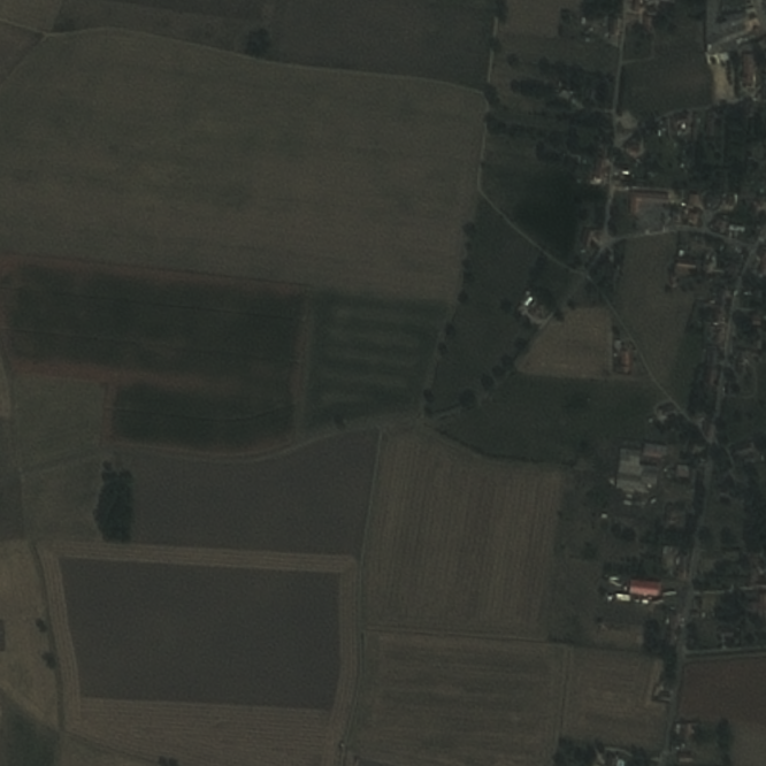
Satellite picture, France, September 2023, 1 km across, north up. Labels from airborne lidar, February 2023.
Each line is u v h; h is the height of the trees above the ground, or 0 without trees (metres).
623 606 0
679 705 0
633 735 0
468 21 0
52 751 0
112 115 0
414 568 0
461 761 0
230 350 0
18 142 0
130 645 0
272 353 0
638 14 0
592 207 0
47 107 0
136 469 0
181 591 0
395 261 0
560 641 0
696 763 0
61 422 0
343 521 0
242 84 0
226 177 0
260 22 0
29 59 0
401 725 0
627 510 0
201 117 0
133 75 0
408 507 0
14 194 0
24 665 0
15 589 0
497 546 0
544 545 0
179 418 0
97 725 0
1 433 0
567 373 0
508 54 0
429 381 0
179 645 0
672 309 0
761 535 17
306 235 0
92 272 0
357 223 0
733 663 0
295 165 0
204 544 0
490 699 0
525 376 0
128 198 0
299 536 0
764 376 0
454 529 0
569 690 0
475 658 0
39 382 0
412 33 0
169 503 0
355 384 0
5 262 0
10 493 0
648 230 0
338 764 0
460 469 0
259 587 0
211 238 0
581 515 0
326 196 0
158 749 0
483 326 0
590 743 0
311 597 0
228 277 0
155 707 0
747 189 0
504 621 0
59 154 0
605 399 0
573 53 0
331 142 0
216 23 0
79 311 0
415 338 0
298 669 0
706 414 9
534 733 0
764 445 16
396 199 0
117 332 0
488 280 0
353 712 0
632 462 0
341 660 0
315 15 0
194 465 0
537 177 0
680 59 0
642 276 0
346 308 0
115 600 0
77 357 0
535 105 0
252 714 0
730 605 13
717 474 6
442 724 0
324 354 0
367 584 0
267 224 0
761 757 0
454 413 0
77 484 0
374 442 0
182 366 0
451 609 0
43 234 0
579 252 0
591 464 0
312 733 0
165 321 0
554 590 0
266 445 0
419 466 0
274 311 0
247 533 0
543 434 0
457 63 0
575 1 0
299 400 0
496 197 0
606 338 0
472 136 0
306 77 0
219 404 0
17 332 0
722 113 8
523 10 0
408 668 0
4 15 0
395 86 0
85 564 0
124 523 9
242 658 0
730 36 0
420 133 0
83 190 0
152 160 0
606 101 8
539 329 0
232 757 0
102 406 0
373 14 0
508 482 0
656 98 0
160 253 0
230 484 0
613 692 0
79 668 0
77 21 0
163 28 0
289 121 0
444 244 0
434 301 0
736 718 0
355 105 0
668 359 0
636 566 7
